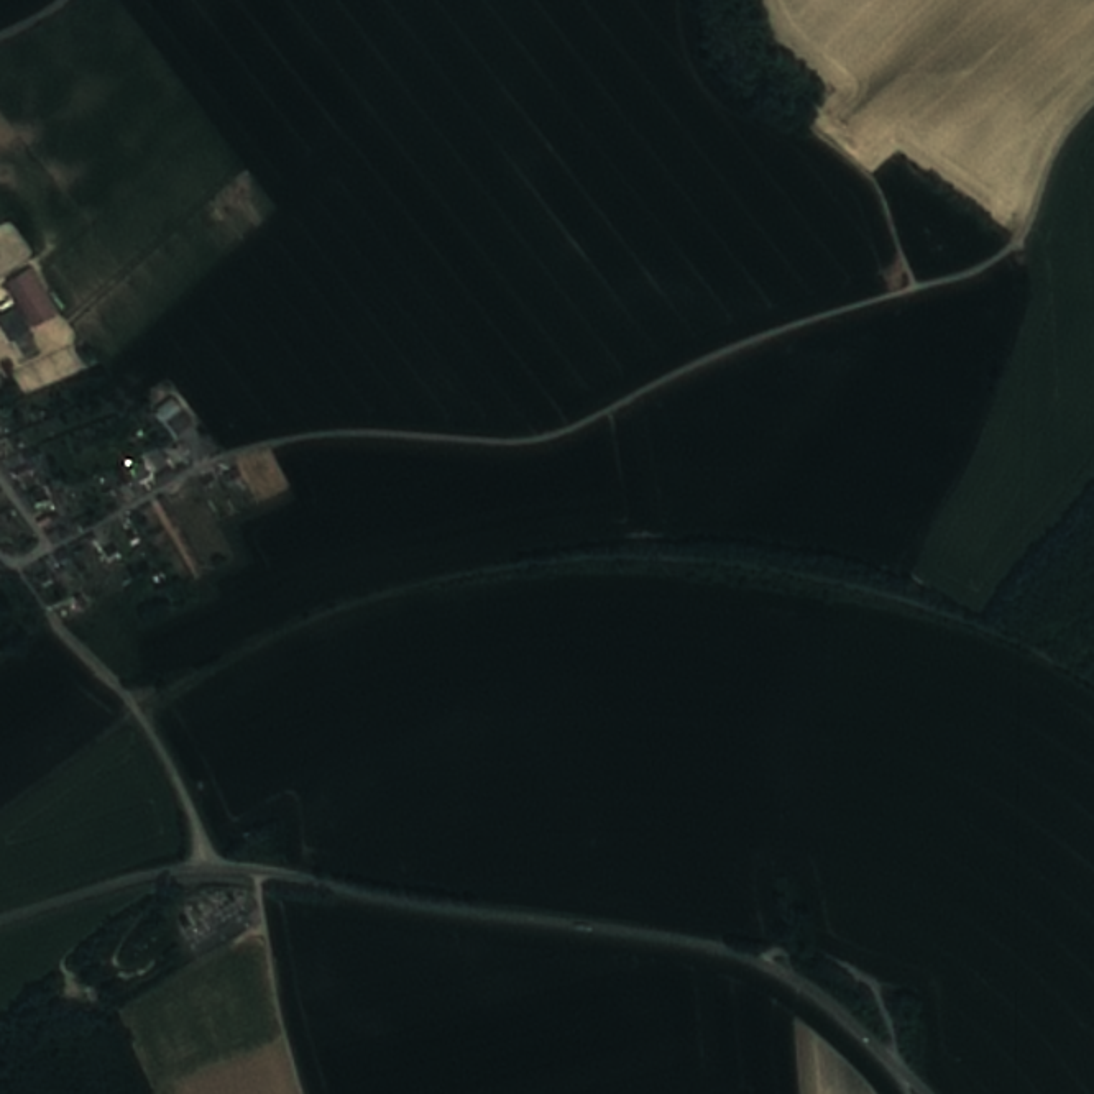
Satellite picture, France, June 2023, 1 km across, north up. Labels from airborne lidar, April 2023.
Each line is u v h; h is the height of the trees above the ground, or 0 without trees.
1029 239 0
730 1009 0
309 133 0
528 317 0
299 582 0
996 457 0
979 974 0
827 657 0
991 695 0
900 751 0
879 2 0
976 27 0
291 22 0
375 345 0
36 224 0
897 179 0
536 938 0
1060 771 0
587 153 0
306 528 0
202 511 0
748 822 0
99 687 0
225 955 0
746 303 0
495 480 0
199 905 0
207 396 0
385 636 0
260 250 0
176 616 0
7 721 0
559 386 0
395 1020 0
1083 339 0
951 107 0
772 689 0
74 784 0
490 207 0
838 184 0
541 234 0
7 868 0
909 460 0
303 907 0
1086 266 0
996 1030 0
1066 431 0
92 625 0
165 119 0
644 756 0
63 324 0
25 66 0
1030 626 21
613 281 0
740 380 0
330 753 0
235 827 0
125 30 0
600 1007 0
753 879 0
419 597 0
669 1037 0
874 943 0
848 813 0
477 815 0
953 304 0
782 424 0
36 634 6
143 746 0
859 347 0
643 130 0
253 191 0
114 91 0
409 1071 0
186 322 0
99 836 0
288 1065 0
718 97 0
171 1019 0
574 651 0
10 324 0
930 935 0
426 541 0
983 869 0
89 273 0
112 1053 11
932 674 0
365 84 0
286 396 0
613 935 0
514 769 0
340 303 0
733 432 0
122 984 6
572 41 0
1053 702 0
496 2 0
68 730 0
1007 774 0
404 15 0
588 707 0
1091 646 16
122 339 0
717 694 0
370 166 0
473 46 0
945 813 0
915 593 9
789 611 0
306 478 0
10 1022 14
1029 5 0
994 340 0
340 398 0
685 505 0
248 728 0
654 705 0
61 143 0
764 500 0
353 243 0
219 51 0
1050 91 0
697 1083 0
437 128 0
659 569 8
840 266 0
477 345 0
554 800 0
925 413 0
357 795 0
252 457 0
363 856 0
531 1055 0
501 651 0
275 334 0
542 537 0
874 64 0
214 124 0
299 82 0
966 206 12
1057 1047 0
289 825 0
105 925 6
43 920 0
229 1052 0
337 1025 0
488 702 0
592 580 0
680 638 0
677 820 0
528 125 0
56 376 0
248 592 0
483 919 0
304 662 0
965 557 0
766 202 0
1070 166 0
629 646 0
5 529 0
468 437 0
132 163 0
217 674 0
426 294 0
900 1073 0
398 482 0
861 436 0
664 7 0
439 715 0
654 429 0
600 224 0
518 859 0
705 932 0
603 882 0
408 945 0
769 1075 0
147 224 0
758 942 8
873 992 10
